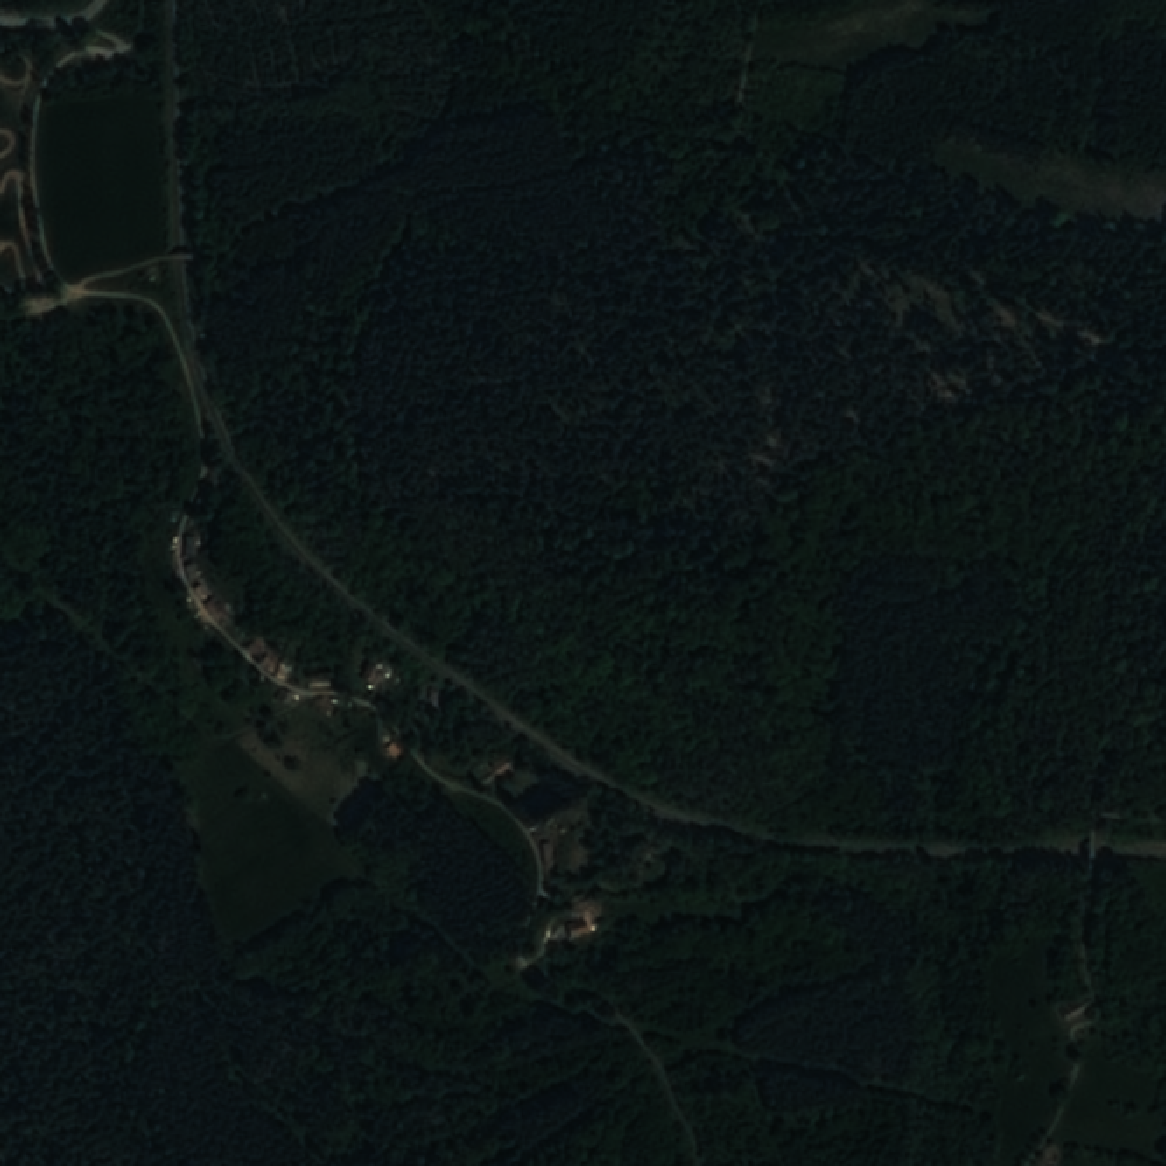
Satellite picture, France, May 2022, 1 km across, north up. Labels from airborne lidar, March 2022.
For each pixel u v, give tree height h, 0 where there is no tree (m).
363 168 14
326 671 11
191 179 16
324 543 13
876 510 27
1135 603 27
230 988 34
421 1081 29
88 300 0
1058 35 18
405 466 24
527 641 24
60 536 25
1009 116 19
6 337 11
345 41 7
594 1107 20
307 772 0
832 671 31
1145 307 24
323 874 0
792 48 0
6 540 18
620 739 23
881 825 19
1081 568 29
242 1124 35
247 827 0
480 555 25
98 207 0
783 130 12
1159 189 0
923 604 31
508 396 22
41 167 0
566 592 25
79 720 35
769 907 22
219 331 29
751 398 27
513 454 27
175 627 0
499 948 29
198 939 32
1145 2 20
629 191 30
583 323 25
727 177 6
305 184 18
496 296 26
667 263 25
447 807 28
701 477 28
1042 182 0
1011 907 27
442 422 28
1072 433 26
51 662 33
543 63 14
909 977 27
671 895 21
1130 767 25
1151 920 28
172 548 0
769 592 22
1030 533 35
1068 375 32
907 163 15
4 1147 32
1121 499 27
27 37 13
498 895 30
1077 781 28
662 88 12
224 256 13
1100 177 0
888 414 28
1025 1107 0
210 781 0
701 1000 14
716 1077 23
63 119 0
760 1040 31
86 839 33
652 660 22
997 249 31
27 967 36
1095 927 15
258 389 16
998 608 29
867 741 31
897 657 30
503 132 27
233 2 8
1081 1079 0
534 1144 12
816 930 15
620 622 24
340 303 20
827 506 27
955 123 26
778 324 31
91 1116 33
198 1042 36
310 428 28
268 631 10
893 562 32
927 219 31
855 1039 31
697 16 14
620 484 6
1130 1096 0
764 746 25
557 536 19
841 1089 30
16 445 24
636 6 9
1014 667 28
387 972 25
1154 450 32
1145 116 15
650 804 0
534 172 27
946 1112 14
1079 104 23
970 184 0
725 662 25
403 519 25
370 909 28
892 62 22
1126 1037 8
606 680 21
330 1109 29
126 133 0
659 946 22
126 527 24
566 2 10
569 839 0
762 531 21
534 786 0
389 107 7
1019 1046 0
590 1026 31
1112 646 28
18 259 0
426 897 32
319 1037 29
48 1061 36
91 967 30
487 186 23
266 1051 35
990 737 30
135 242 0
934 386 26
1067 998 12
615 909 0
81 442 24
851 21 0
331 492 15
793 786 22
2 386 8
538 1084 8
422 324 21
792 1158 7
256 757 0
